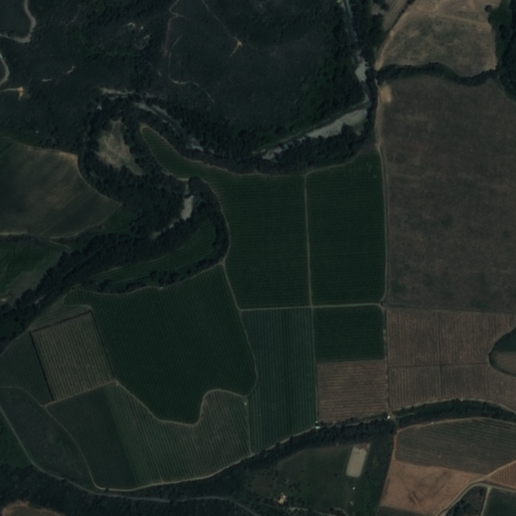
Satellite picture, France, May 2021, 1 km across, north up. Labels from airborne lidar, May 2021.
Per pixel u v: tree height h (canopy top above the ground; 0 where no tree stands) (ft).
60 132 74
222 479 21
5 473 25
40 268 0
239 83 18
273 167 64
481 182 0
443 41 0
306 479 0
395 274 0
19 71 41
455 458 0
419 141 0
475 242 0
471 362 0
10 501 28
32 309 52
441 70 36
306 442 28
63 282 73
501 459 0
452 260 0
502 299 0
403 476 0
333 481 0
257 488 0
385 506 0
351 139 89
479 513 27
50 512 0
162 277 44
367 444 0
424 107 0
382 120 0
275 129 39
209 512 19
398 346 0
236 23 25
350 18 0
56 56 22
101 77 18
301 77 34
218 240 44
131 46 34
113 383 0
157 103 80
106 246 86
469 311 0
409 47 0
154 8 28
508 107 0
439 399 0
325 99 31
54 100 18
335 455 0
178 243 83
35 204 0
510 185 0
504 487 0
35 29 29
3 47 29
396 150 0
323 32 36
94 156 91
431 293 0
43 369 35
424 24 0
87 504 28
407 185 0
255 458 21
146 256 69
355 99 108
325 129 0
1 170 0
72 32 28
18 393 0
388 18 0
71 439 0
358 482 0
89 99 41
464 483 0
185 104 29
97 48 21
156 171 29
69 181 0
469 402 20
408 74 21
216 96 20
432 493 0
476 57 0
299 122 22
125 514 38
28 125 29
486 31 0
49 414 0
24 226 0
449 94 0
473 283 0
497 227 0
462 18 0
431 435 0
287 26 35
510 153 0
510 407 0
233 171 43
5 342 49
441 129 0
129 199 59
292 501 28
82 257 89
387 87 0
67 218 0
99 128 92
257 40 22
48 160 0
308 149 88
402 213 0
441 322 0
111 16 20
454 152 0
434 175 0
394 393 0
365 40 109
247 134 92
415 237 0
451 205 0
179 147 77
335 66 26
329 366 0
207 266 30
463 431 0
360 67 0
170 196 84
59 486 20
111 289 61
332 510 35
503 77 37
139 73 39
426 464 0
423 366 0
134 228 45
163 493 42
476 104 0
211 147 84
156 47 26
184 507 24
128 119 28
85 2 24
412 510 0
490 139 0
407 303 0
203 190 82
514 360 0
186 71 28
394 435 28
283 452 20
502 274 0
